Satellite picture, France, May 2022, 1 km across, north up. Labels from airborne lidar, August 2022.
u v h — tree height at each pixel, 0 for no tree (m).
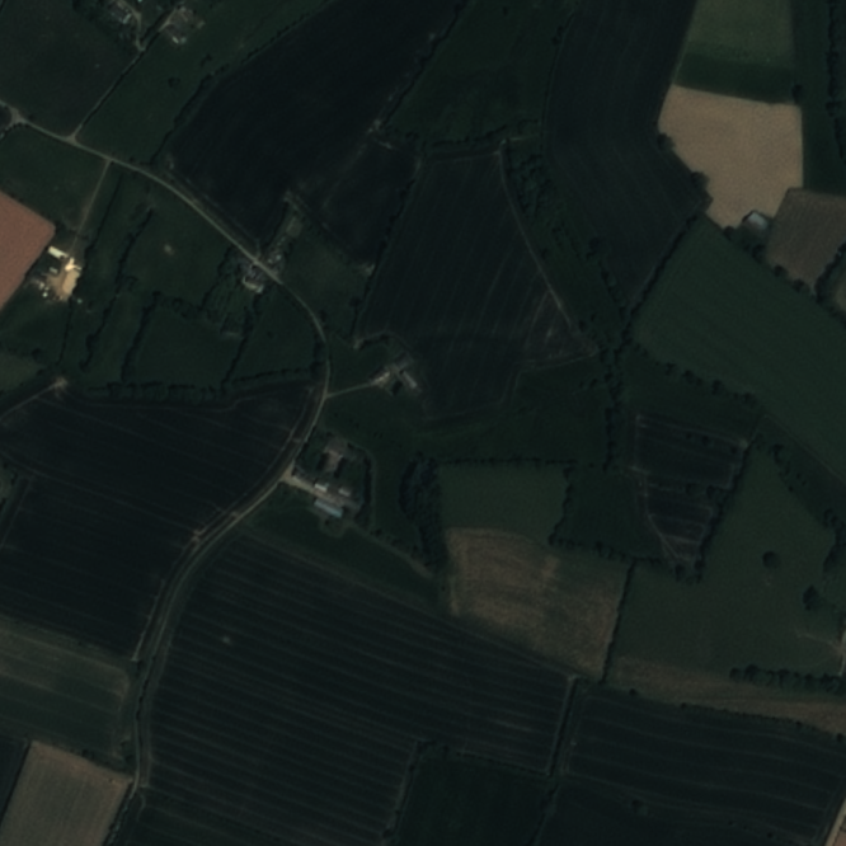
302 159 0
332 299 0
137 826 0
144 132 0
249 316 11
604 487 0
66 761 0
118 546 0
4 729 0
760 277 0
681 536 0
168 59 0
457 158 0
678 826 0
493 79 0
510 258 0
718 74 0
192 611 0
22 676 0
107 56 0
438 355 0
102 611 0
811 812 0
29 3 0
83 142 0
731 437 0
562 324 0
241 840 0
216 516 0
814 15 0
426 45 0
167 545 0
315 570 0
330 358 7
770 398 0
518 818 0
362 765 0
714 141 0
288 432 0
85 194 0
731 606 0
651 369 0
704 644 0
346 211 0
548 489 0
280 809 0
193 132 0
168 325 0
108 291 0
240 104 0
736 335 0
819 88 0
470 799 0
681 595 0
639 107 0
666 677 0
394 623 0
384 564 0
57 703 0
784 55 0
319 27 0
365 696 0
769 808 0
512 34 0
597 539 0
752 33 0
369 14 0
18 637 0
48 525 0
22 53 0
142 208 0
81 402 0
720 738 0
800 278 0
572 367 0
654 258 0
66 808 0
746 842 0
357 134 0
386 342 18
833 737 6
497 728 0
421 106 0
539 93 0
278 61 0
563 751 8
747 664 0
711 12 0
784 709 0
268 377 10
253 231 0
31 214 0
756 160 0
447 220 0
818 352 0
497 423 0
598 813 0
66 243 0
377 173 0
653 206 0
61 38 0
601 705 0
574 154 0
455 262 0
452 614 0
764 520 0
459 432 0
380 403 0
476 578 0
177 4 11
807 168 0
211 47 0
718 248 0
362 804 0
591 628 0
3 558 0
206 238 0
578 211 0
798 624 0
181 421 0
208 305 8
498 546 0
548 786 0
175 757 0
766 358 0
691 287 0
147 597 0
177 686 0
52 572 0
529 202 18
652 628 0
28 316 0
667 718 0
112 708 0
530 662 0
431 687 0
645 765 0
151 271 0
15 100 0
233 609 0
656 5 0
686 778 0
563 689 0
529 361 0
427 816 0
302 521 0
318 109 0
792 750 0
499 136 7
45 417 0
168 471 0
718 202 0
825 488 0
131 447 0
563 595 0
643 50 0
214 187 0
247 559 0
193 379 0
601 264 8
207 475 0
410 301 0
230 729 0
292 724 0
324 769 0
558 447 0
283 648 0
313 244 0
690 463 0
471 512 0
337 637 0
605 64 0
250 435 0
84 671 0
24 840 0
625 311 14
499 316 0
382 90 0
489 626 0
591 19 0
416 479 8
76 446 0
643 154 0
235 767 0
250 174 0
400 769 0
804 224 0
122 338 0
